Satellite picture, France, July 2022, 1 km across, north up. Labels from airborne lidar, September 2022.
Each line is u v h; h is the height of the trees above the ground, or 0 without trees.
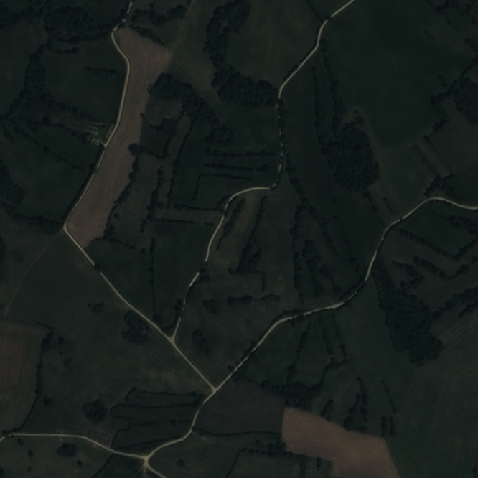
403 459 0
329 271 7
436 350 8
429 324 12
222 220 0
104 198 0
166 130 12
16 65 0
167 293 0
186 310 0
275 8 0
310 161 0
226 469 0
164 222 10
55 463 0
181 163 16
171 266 0
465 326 0
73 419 0
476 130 0
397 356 0
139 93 0
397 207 0
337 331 7
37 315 0
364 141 14
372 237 0
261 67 0
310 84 0
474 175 0
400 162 0
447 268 0
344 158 17
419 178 0
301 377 0
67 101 0
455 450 0
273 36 0
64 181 0
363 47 0
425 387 0
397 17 0
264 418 0
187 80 0
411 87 0
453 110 0
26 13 15
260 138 0
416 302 11
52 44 17
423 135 0
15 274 0
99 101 0
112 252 0
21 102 17
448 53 0
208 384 0
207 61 0
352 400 0
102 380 0
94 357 0
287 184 0
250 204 0
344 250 0
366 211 0
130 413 0
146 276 0
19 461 0
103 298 0
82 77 0
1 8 13
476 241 6
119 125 0
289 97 0
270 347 0
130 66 0
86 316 0
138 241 0
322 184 0
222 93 15
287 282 0
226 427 0
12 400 0
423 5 0
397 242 0
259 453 7
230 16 7
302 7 0
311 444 0
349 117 0
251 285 0
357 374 0
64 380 0
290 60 0
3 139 0
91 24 13
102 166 0
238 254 0
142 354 0
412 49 0
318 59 0
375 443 0
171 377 0
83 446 0
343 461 0
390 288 13
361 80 0
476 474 13
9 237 0
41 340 0
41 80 16
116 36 0
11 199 6
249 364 8
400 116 0
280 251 0
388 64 0
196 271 0
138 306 0
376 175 15
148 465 0
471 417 0
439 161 0
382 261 8
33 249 0
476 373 0
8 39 0
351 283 0
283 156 6
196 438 0
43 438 0
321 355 0
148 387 0
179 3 0
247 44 0
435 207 0
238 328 0
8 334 0
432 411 0
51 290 0
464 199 0
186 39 0
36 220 8
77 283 0
